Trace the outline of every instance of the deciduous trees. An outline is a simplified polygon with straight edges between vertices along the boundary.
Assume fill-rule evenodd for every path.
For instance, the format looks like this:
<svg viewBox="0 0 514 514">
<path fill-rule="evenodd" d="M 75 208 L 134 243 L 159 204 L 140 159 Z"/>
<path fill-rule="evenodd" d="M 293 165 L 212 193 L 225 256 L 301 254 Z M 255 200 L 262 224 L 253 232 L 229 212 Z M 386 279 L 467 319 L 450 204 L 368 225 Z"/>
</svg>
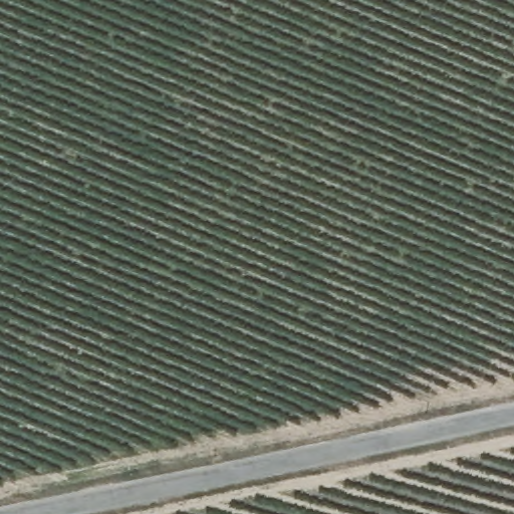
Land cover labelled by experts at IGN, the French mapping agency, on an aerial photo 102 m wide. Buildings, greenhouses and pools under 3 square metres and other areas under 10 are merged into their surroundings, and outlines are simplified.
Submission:
<svg viewBox="0 0 514 514">
<path fill-rule="evenodd" d="M 514 365 L 508 365 L 500 359 L 492 359 L 488 363 L 488 369 L 494 369 L 500 375 L 514 379 Z"/>
</svg>

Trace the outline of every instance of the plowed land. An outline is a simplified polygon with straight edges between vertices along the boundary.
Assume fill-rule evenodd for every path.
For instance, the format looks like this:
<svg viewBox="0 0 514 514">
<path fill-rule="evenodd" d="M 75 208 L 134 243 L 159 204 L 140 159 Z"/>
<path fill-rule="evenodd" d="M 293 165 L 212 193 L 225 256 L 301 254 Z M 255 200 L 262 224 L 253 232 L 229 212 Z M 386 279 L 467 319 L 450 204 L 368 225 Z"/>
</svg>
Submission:
<svg viewBox="0 0 514 514">
<path fill-rule="evenodd" d="M 319 476 L 293 478 L 269 486 L 231 490 L 217 496 L 175 502 L 163 508 L 129 514 L 175 514 L 203 510 L 209 506 L 225 510 L 231 504 L 231 500 L 245 500 L 259 494 L 277 498 L 285 490 L 313 492 L 319 486 L 337 488 L 343 480 L 359 480 L 369 474 L 392 478 L 396 470 L 402 468 L 416 470 L 426 464 L 444 466 L 452 458 L 474 460 L 480 454 L 496 456 L 502 448 L 514 448 L 514 434 L 416 456 L 402 456 L 357 468 L 345 468 Z"/>
<path fill-rule="evenodd" d="M 78 484 L 100 478 L 104 474 L 135 468 L 147 462 L 165 462 L 185 456 L 201 458 L 213 454 L 213 450 L 217 448 L 249 448 L 253 444 L 273 444 L 283 440 L 323 436 L 422 410 L 514 394 L 514 379 L 500 375 L 494 383 L 480 379 L 474 388 L 454 379 L 448 388 L 440 388 L 436 396 L 424 394 L 420 398 L 406 398 L 394 392 L 392 402 L 381 400 L 377 408 L 363 404 L 357 412 L 341 410 L 337 418 L 325 414 L 321 420 L 315 422 L 287 422 L 279 428 L 267 428 L 261 432 L 235 436 L 221 430 L 211 438 L 203 434 L 195 442 L 171 450 L 145 450 L 143 454 L 129 458 L 102 460 L 96 464 L 64 468 L 60 472 L 40 476 L 28 474 L 26 478 L 0 484 L 0 498 L 12 496 L 16 492 L 40 490 L 44 484 L 54 482 Z"/>
</svg>

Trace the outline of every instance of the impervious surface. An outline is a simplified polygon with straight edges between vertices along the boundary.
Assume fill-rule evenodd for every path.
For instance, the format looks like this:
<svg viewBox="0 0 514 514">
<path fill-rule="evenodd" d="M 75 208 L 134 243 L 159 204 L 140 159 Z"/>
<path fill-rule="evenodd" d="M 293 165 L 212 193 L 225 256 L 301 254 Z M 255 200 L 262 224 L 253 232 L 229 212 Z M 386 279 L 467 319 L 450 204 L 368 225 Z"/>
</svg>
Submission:
<svg viewBox="0 0 514 514">
<path fill-rule="evenodd" d="M 335 462 L 365 458 L 373 454 L 514 426 L 514 402 L 452 416 L 440 416 L 432 420 L 420 420 L 377 432 L 355 434 L 343 440 L 307 444 L 299 448 L 249 456 L 223 464 L 100 484 L 40 500 L 24 500 L 0 506 L 0 514 L 92 514 L 133 504 L 147 504 L 167 496 L 181 496 L 225 484 L 267 478 L 307 468 L 319 468 Z"/>
</svg>

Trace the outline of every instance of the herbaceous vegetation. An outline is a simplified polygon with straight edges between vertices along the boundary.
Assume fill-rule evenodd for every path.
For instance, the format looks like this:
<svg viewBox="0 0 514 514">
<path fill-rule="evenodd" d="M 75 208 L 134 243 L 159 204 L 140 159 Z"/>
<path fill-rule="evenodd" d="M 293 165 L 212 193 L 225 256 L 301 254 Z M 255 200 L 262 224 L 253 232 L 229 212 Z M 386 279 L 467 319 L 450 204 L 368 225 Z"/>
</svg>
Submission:
<svg viewBox="0 0 514 514">
<path fill-rule="evenodd" d="M 147 504 L 133 504 L 92 514 L 129 514 L 163 508 L 175 502 L 217 496 L 231 490 L 269 486 L 293 478 L 319 476 L 345 468 L 357 468 L 402 456 L 416 456 L 514 434 L 514 426 L 373 454 L 365 458 L 335 462 L 319 468 L 307 468 L 267 478 L 225 484 L 181 496 L 167 496 Z"/>
<path fill-rule="evenodd" d="M 273 444 L 253 444 L 249 448 L 217 448 L 213 450 L 213 454 L 201 458 L 185 456 L 165 462 L 147 462 L 135 468 L 104 474 L 100 478 L 78 484 L 54 482 L 44 484 L 40 490 L 16 492 L 12 496 L 0 498 L 0 506 L 24 500 L 40 500 L 100 484 L 223 464 L 249 456 L 299 448 L 307 444 L 343 440 L 355 434 L 377 432 L 420 420 L 432 420 L 440 416 L 452 416 L 514 402 L 514 394 L 422 410 L 323 436 L 283 440 Z"/>
</svg>

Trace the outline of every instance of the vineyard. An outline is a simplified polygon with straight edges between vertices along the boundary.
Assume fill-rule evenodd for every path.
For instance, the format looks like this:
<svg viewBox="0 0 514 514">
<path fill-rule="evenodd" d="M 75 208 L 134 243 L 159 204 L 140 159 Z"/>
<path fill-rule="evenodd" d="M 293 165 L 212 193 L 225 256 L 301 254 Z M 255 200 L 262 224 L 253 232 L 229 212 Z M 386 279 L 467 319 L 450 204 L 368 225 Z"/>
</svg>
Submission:
<svg viewBox="0 0 514 514">
<path fill-rule="evenodd" d="M 129 458 L 143 454 L 145 450 L 171 450 L 195 442 L 203 434 L 211 438 L 221 430 L 235 436 L 261 432 L 267 428 L 279 428 L 287 422 L 315 422 L 321 420 L 325 414 L 337 418 L 341 410 L 357 412 L 363 404 L 377 408 L 381 400 L 392 402 L 394 392 L 406 398 L 420 398 L 424 394 L 436 396 L 440 388 L 448 388 L 454 379 L 474 388 L 480 379 L 494 383 L 500 375 L 494 369 L 488 369 L 488 363 L 492 359 L 500 359 L 508 365 L 514 365 L 514 0 L 0 0 L 0 484 L 26 478 L 28 474 L 40 476 L 60 472 L 64 468 L 96 464 L 102 460 Z"/>
<path fill-rule="evenodd" d="M 259 494 L 245 500 L 231 500 L 231 504 L 225 510 L 209 506 L 203 510 L 175 514 L 514 514 L 514 448 L 502 448 L 496 456 L 480 454 L 474 460 L 452 458 L 444 466 L 426 464 L 416 470 L 402 468 L 396 470 L 392 478 L 369 474 L 359 480 L 343 480 L 337 488 L 319 486 L 313 492 L 285 490 L 277 498 Z"/>
</svg>

